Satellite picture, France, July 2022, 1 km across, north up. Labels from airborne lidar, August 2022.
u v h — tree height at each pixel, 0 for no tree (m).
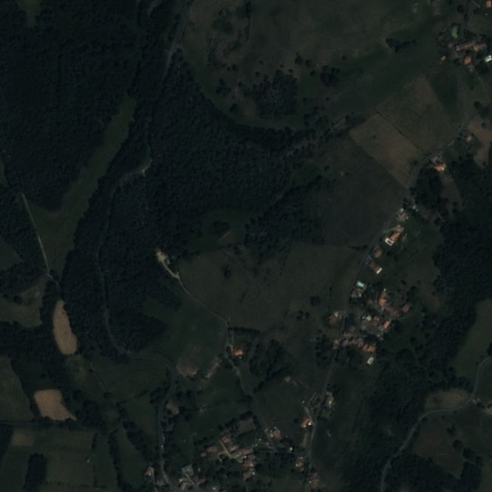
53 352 21
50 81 16
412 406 9
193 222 27
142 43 6
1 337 21
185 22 0
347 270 0
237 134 7
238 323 0
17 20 21
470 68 0
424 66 0
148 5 17
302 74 0
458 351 13
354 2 0
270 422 0
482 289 15
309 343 0
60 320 0
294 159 11
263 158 9
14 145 15
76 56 21
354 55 0
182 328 0
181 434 0
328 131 8
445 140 0
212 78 0
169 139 23
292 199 11
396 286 0
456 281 12
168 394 12
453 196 0
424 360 14
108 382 0
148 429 0
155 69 22
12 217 22
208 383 0
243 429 0
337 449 0
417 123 0
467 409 0
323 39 0
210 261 0
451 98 0
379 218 0
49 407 0
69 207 0
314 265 0
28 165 15
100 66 8
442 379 0
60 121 17
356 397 0
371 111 0
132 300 21
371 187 0
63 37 7
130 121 0
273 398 0
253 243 16
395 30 0
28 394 10
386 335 14
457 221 7
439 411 0
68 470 0
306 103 12
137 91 21
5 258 0
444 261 10
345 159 0
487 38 10
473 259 12
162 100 23
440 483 11
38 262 24
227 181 13
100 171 0
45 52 21
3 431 18
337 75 12
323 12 0
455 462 0
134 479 0
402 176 0
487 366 0
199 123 8
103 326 13
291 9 0
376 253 0
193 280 0
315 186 10
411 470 21
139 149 17
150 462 16
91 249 19
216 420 0
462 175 9
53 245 0
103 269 19
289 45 0
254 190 17
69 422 14
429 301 0
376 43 0
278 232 16
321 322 0
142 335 11
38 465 17
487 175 9
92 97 20
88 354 18
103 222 26
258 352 10
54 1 12
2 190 18
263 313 0
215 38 0
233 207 8
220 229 8
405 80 0
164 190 23
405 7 0
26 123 15
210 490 0
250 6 12
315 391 0
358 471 11
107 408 0
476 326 0
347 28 0
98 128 17
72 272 21
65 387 18
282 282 0
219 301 0
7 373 0
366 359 0
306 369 0
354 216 0
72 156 21
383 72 0
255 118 0
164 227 25
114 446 17
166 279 11
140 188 18
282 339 0
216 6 0
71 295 25
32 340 21
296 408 0
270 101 7
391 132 0
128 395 0
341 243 0
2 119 20
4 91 19
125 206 20
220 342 0
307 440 0
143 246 25
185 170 18
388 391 16
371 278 0
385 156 0
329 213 0
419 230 0
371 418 9
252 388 0
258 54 0
